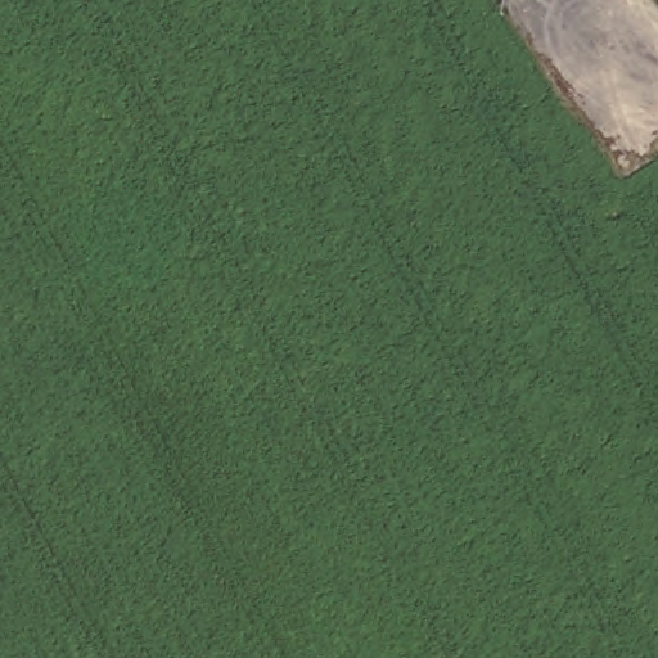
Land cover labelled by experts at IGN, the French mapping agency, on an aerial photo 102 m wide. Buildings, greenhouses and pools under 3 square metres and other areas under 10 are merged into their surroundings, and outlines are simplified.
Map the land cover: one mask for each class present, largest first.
<instances>
[{"label":"agricultural land","instance_id":"1","mask_svg":"<svg viewBox=\"0 0 658 658\"><path fill-rule=\"evenodd\" d=\"M599 131L581 123L563 105L532 46L501 10V0H0V658H658V157L632 175H625L619 167L612 165L609 154L599 147Z\"/></svg>","mask_w":658,"mask_h":658},{"label":"pervious surface","instance_id":"2","mask_svg":"<svg viewBox=\"0 0 658 658\"><path fill-rule=\"evenodd\" d=\"M501 10L532 46L563 105L581 123L599 131V147L609 154L612 165L619 167L625 175H632L658 157V0H501Z\"/></svg>","mask_w":658,"mask_h":658}]
</instances>
